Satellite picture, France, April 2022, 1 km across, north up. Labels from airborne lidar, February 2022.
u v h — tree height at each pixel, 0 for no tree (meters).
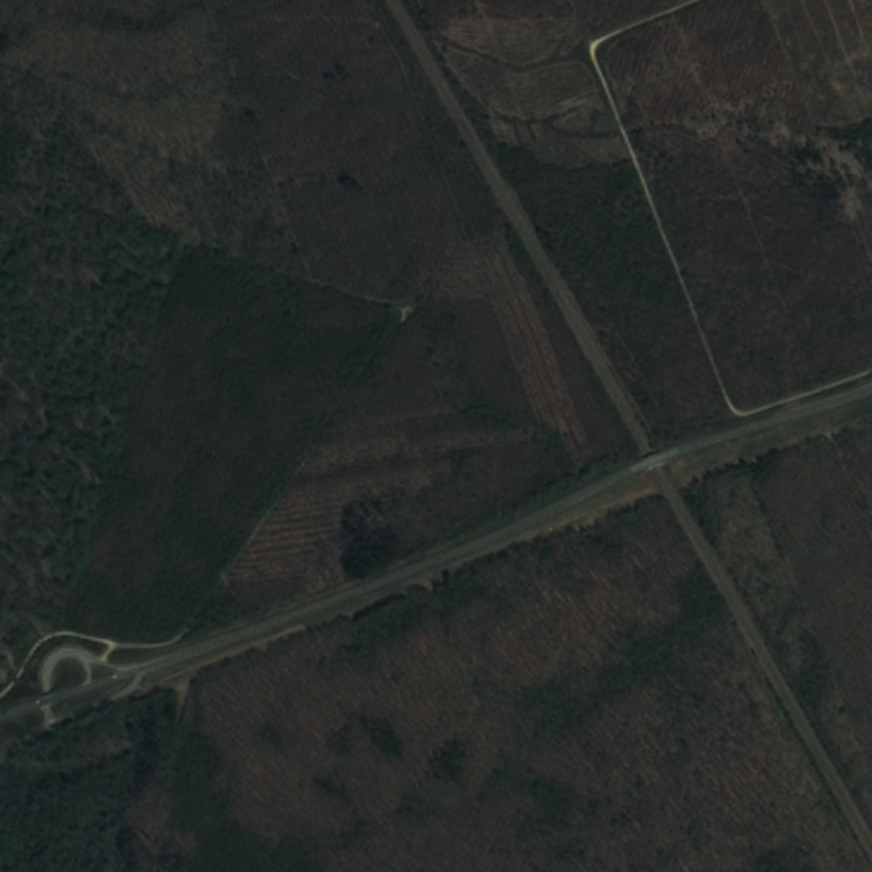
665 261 10
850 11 0
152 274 26
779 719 0
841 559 0
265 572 0
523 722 0
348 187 20
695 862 0
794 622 0
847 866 0
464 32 0
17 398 29
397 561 14
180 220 0
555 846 0
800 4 0
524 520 0
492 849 0
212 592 12
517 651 0
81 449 24
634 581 0
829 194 6
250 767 0
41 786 0
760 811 0
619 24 10
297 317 7
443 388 13
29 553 30
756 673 0
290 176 7
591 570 0
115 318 26
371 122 0
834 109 0
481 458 21
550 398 0
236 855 0
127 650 0
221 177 20
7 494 0
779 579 0
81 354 23
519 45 0
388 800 0
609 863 0
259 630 0
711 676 0
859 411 0
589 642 0
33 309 24
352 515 13
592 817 0
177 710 14
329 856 0
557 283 0
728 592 0
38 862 18
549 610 0
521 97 0
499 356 0
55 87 18
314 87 7
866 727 0
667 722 0
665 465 0
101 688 0
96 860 5
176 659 0
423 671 0
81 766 28
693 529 0
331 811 0
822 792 0
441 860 0
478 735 0
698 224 6
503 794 0
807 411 0
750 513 0
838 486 0
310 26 6
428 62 0
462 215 9
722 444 0
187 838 0
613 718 0
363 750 0
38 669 0
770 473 19
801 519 0
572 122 0
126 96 22
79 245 25
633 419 0
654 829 0
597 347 0
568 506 0
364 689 0
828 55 0
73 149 20
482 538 0
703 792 0
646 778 0
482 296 0
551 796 0
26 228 25
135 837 22
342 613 0
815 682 0
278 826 0
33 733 0
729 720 0
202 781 0
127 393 24
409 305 0
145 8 0
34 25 22
